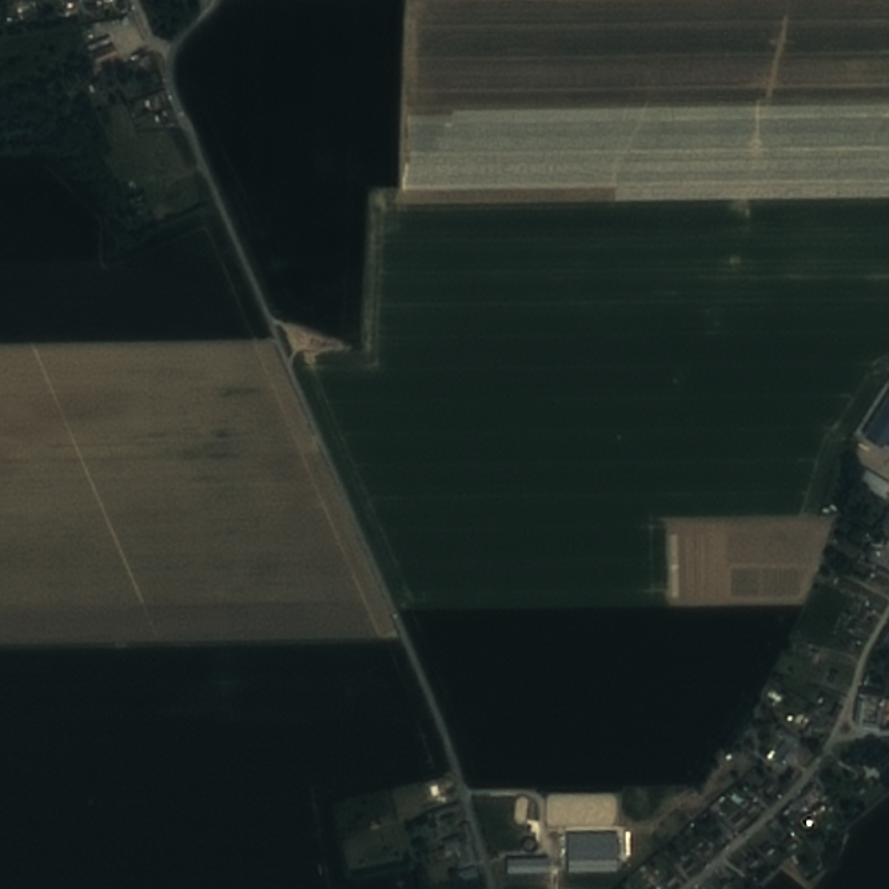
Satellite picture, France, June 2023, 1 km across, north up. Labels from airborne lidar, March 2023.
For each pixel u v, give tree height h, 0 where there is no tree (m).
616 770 0
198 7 11
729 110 0
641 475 0
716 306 0
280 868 0
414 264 0
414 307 0
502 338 0
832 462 0
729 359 0
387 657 0
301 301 0
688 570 0
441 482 0
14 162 0
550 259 0
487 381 0
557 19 0
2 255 0
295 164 0
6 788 0
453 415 0
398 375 0
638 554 0
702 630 0
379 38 0
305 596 0
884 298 0
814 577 0
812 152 0
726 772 0
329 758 0
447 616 0
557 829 0
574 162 0
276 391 0
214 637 0
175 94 0
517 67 0
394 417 0
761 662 0
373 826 0
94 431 0
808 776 0
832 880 0
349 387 0
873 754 18
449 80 0
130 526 0
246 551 0
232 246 0
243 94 0
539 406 0
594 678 0
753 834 0
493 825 0
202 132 0
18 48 0
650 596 0
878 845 0
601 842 0
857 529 14
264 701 0
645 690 0
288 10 0
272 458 0
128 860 0
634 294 0
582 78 0
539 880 0
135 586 0
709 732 0
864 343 0
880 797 0
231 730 0
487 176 0
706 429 0
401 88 0
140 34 0
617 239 0
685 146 0
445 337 0
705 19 0
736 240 0
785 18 0
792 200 0
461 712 0
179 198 0
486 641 0
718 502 0
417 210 0
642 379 0
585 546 0
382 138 0
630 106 0
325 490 0
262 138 0
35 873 0
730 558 0
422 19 0
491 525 0
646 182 0
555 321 0
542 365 0
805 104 0
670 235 0
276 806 0
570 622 0
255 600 0
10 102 18
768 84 0
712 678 0
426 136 0
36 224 0
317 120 0
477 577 0
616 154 0
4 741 0
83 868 0
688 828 0
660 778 0
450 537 0
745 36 0
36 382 0
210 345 0
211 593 0
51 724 0
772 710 9
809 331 0
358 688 0
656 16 0
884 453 0
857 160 0
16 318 0
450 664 0
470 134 0
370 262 0
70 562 0
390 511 0
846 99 0
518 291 0
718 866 0
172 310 0
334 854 0
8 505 0
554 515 0
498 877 0
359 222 0
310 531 0
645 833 0
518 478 0
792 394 0
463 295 0
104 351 0
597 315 0
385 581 0
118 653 0
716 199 0
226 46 0
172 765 0
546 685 0
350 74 0
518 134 0
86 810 0
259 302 0
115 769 0
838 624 0
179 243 0
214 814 0
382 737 0
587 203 0
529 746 0
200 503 0
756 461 0
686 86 0
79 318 0
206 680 0
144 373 0
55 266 0
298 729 0
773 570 0
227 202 0
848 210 0
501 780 0
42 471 0
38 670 0
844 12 0
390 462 0
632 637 0
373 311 0
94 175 26
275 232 0
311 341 0
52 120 21
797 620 0
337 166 0
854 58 0
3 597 0
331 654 0
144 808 0
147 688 0
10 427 0
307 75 0
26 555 0
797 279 0
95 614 0
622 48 0
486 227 0
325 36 0
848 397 0
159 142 0
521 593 0
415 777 0
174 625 0
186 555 0
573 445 0
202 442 0
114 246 0
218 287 0
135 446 0
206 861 0
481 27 0
